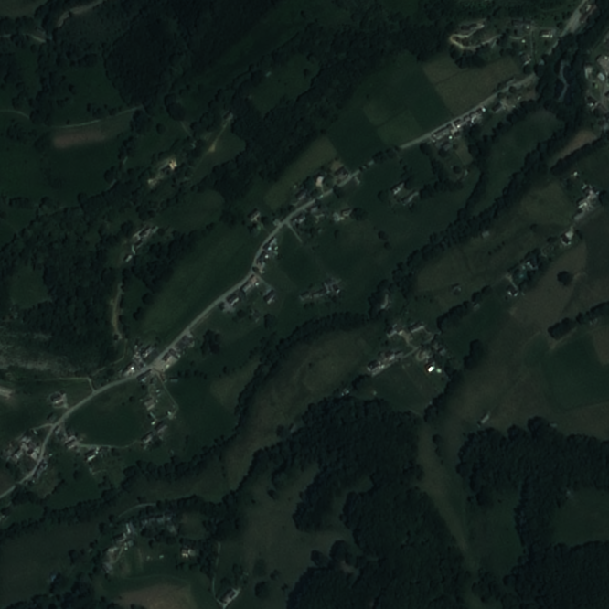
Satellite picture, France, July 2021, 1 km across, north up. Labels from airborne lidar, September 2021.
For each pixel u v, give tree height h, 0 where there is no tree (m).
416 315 0
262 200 0
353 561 25
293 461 14
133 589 0
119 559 0
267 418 0
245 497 9
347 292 10
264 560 0
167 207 12
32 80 0
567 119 14
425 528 31
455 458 0
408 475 22
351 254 0
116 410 0
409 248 0
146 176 21
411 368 0
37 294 0
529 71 15
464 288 0
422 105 0
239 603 0
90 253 20
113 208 20
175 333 0
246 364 6
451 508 0
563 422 0
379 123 0
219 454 20
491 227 14
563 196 0
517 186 21
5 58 14
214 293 0
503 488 7
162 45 16
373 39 21
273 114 21
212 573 14
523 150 0
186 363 0
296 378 0
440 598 16
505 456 18
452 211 0
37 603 23
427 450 0
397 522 29
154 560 0
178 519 11
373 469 21
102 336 24
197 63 16
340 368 0
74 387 0
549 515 19
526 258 7
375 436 33
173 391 0
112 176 17
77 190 0
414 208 13
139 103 9
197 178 0
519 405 0
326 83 25
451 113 0
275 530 0
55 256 30
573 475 18
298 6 0
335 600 28
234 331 0
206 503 20
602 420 0
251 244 0
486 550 0
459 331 0
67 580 25
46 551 0
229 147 0
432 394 0
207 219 0
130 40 9
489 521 0
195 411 0
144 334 0
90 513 20
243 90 23
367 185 0
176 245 29
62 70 8
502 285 0
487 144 21
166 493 0
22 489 18
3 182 0
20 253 19
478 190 15
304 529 12
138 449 0
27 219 0
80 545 0
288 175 0
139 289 0
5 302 10
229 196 17
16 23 11
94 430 0
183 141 6
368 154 0
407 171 14
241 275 0
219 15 12
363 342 0
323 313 0
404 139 0
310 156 0
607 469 24
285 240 0
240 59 0
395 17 15
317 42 20
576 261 0
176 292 0
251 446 0
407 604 34
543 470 12
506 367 0
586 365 0
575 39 17
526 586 23
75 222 23
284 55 17
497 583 18
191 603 0
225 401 0
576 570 26
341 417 35
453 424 0
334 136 0
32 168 0
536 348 0
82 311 22
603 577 24
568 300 0
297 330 13
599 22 17
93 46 8
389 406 30
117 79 12
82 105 0
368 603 28
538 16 10
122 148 10
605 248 0
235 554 0
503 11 18
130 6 20
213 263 0
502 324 0
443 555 31
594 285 0
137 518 8
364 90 0
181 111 17
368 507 29
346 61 17
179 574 0
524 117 14
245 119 24
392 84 0
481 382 0
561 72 0
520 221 0
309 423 20
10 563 0
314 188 10
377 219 0
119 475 0
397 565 33
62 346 7
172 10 14
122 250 0
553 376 0
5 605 0
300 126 24
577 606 23
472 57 17
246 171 20
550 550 22
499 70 0
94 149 0
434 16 25
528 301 0
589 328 0
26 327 8
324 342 0
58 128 0
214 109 13
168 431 0
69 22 6
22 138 13
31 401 0
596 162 0
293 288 0
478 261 0
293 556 0
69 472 0
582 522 0
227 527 25
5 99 0
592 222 0
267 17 14
